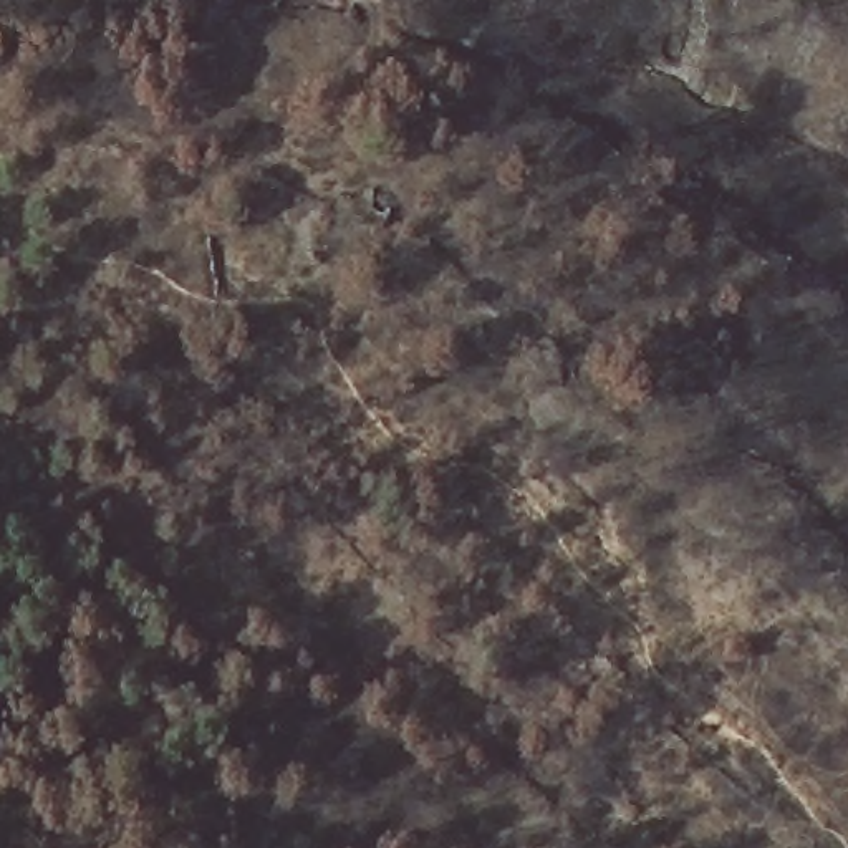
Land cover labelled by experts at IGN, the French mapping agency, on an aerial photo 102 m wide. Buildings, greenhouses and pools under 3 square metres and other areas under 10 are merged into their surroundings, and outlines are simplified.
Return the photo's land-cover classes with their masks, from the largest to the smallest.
<instances>
[{"label":"coniferous trees","instance_id":"1","mask_svg":"<svg viewBox=\"0 0 848 848\"><path fill-rule=\"evenodd\" d=\"M202 89L199 73L186 70L179 0H0V848H699L679 818L623 825L610 818V812L619 798V785L636 775L629 745L643 742L649 729L663 735H679L689 719L706 716L716 706V689L722 682L719 666L709 659H659L653 666H636L629 639H636V613L626 606V596L603 600V590L623 583L629 570L616 560L590 573L586 583H576L570 576L566 557L557 553V540L570 537L586 520L576 510H553L543 520L527 513L520 460L513 454H494V444L513 437L527 417L494 421L480 427V434L457 454H444L437 460H407V454L417 444L401 437L404 424L394 411L371 407L364 417L354 404L351 417L338 421L341 398L321 388L318 368L331 354L345 364L354 358V348L361 345V315L338 308L331 292L318 288H292L288 301H282L275 288L262 285V268L245 258L242 235L248 229L275 222L285 209L298 205L308 186L295 169L265 162L262 152L282 146L285 126L258 119L262 109L252 96H239L229 109L215 116L199 113L192 106ZM398 56L384 60L374 70L368 89L354 93L341 113V136L348 149L358 152L364 162H391L394 172H404L421 156H441L437 162L447 176L441 182L451 189L457 202L474 199L487 189L490 202L480 212V258L474 265L464 262L454 232L447 229V215H424L411 229L407 242L381 245L374 258L378 288L384 295H414L424 292L444 268H451L454 278L464 282L470 305L497 308V318L457 328L454 361L447 368H441L437 374H414L411 384L424 394L427 388L464 381L467 388L487 394L500 407L513 404L523 394L504 388L507 361L517 358L510 348L513 341L523 345V338H543L557 298H563L576 311V318H583L580 331L557 335L560 384H580L586 391V401L600 407L603 417L610 411H626L633 401L646 398V381L653 374L633 354L639 351L646 335L663 338L669 345H696L706 351L709 371H729L749 348L739 292L732 295L702 272L706 242L692 239V222L686 219V212H679L672 159L656 156V136L646 129H629L626 162L633 169L619 182L606 186L610 199L603 205H593L583 222L570 219L560 229H553L550 248H533L523 258H507V239L540 229L533 172L523 166V156L500 136L504 113H497L490 99H484L464 83L460 63L444 56L447 40L434 33L417 36L404 30L394 43ZM712 848H775L759 831H729Z\"/></svg>","mask_w":848,"mask_h":848},{"label":"bare soil","instance_id":"2","mask_svg":"<svg viewBox=\"0 0 848 848\"><path fill-rule=\"evenodd\" d=\"M186 70L199 73L202 89L192 106L199 113L215 116L229 109L239 96H252L262 109L258 119L285 126L282 146L262 152L265 162L295 169L308 186L298 205L285 209L275 222L248 229L242 235L245 258L262 268V285L275 288L282 301H288L292 288H318L331 292L338 308L361 315V345L354 348V358L345 364L331 354L318 368L321 388L341 398L338 421L351 417L354 404L364 417L371 407L394 411L404 424L401 437L417 444L407 454V460H437L444 454H457L480 434V427L494 421L527 417L513 437L494 444V454H513L520 460L527 513L543 520L553 510H576L586 520L570 537L557 540V553L566 557L570 576L576 583H586L590 573L616 560L629 570L623 583L603 590V600L626 596V606L636 613V639H629L636 666H653L659 659H709L719 666L722 682L716 689V706L706 716L689 719L679 735H663L649 729L643 742L629 745L636 775L619 785V798L610 812V818L623 825L679 818L699 848H712L729 831H759L775 848H848V0H179ZM404 30L417 36L434 33L447 40L444 56L460 63L464 83L484 99H490L497 113H504L500 136L523 156V166L533 172L540 229L507 239V258H523L533 248H550L553 229H560L570 219L583 222L593 205H603L610 199L606 186L619 182L633 169L626 162L629 129H646L656 136V156L672 159L679 212H686V219L692 222V239L706 242L702 272L732 295L739 292L749 348L729 371H709L706 351L696 345H669L663 338L646 335L639 351L633 354L653 374L646 381V398L633 401L626 411H610L603 417L600 407L586 401V391L580 384H560L557 335L580 331L583 318H576V311L563 298H557L543 338H523V345L513 341L510 348L517 358L507 361L504 388L523 394L513 404L500 407L487 394L467 388L464 381L427 388L424 394L411 384L414 374H437L441 368H447L454 361L457 328L497 318V308L470 305L464 282L454 278L451 268H444L424 292L414 295H384L378 288L374 258L381 245L407 242L411 229L424 215H447V229L454 232L464 262L474 265L480 258V212L490 202L487 189L474 199L457 202L451 189L441 182L447 176L437 162L441 156H421L404 172H394L391 162H364L358 152L348 149L341 136V113L354 93L368 89L374 70L384 60L398 56L394 43Z\"/></svg>","mask_w":848,"mask_h":848}]
</instances>
